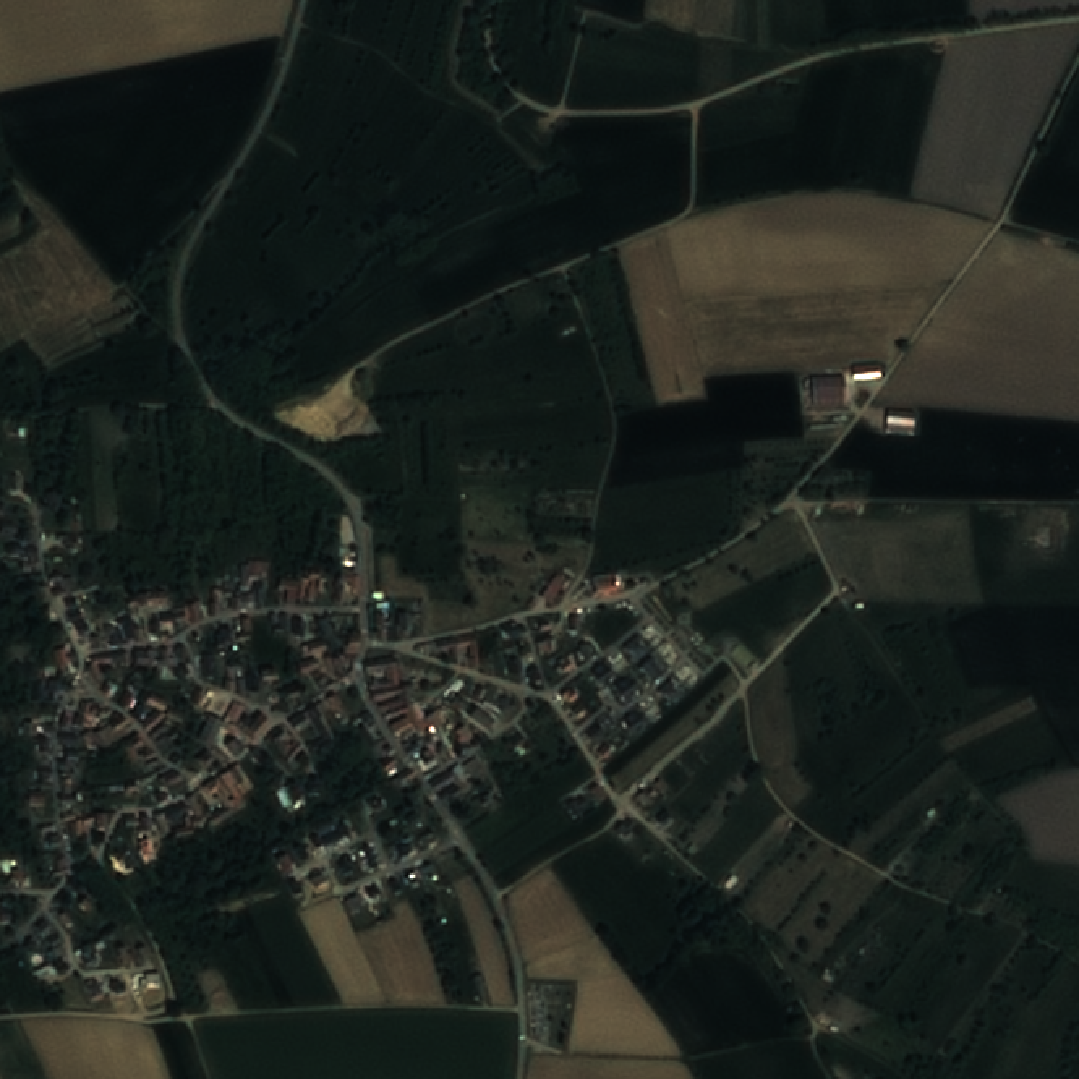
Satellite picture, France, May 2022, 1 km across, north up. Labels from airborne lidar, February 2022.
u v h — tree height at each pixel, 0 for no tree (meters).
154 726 0
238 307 0
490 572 13
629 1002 0
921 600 0
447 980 8
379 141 0
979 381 0
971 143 0
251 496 7
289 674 7
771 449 0
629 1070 0
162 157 0
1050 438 0
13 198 13
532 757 0
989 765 0
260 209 0
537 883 0
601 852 0
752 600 0
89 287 0
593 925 0
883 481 0
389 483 0
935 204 0
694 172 0
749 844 0
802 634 0
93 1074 0
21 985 0
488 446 0
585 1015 0
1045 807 0
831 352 0
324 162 0
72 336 0
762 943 16
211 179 0
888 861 0
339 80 0
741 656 0
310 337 0
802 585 0
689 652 0
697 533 0
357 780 10
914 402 0
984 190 0
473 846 0
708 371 0
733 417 0
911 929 0
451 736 0
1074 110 0
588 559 0
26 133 0
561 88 0
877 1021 0
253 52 0
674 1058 0
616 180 0
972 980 0
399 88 0
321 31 0
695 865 0
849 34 9
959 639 0
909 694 0
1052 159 0
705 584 0
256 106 0
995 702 0
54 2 0
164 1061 0
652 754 0
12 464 0
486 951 0
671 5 0
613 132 0
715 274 0
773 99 0
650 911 0
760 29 0
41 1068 0
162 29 0
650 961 0
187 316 0
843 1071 0
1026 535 0
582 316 0
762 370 0
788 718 0
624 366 0
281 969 0
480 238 0
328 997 0
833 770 0
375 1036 0
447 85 0
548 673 0
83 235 0
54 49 0
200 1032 0
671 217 0
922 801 0
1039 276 0
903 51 0
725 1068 0
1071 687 0
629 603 0
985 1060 0
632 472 0
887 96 0
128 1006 0
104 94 0
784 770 0
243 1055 0
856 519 0
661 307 0
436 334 0
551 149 0
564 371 0
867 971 0
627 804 0
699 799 0
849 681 0
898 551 0
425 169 0
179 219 0
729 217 0
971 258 0
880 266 0
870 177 0
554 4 11
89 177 0
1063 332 0
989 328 0
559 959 0
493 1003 0
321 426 0
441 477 0
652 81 0
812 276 0
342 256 0
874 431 0
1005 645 0
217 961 0
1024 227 0
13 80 0
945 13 0
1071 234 0
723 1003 0
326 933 0
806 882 0
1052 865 0
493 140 0
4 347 0
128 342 0
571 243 0
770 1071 0
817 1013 0
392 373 0
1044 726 0
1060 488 0
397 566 0
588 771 0
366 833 0
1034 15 11
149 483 0
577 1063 0
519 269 0
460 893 0
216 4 0
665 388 0
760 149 0
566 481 0
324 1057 0
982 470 0
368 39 0
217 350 12
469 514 0
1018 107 0
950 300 0
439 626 0
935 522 0
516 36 0
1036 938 6
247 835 9
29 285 0
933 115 0
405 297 0
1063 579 0
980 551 0
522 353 0
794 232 0
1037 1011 0
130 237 0
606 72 0
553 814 0
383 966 0
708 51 0
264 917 0
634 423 0
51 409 11
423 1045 0
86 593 0
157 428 8
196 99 0
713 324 0
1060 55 0
